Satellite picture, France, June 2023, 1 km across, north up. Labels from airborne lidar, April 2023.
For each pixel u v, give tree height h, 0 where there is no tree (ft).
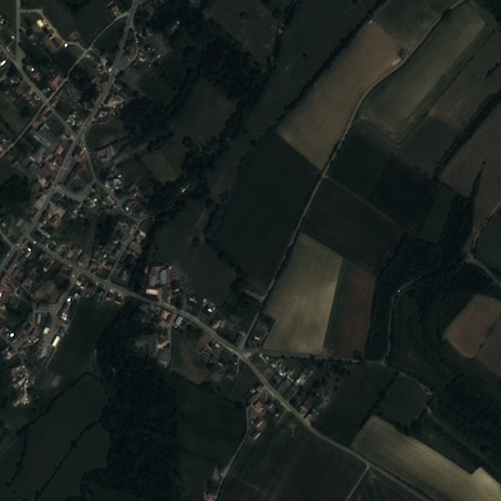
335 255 0
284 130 0
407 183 0
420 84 0
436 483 0
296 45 0
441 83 0
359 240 0
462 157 0
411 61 0
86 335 0
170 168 0
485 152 0
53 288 0
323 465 0
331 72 0
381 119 0
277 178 0
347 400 0
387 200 0
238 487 0
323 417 0
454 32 0
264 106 0
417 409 0
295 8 48
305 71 0
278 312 0
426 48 0
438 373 18
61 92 0
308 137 0
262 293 0
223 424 0
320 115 0
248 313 0
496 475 18
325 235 0
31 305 0
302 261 0
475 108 0
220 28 53
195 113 0
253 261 0
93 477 46
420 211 0
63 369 0
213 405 0
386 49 0
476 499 0
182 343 0
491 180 0
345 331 0
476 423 64
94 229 0
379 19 0
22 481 0
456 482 0
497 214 0
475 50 0
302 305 0
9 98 0
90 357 0
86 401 0
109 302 0
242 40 0
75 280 0
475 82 0
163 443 50
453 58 0
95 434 0
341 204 0
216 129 0
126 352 39
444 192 0
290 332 0
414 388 0
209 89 0
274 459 0
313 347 0
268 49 0
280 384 0
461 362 0
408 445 0
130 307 22
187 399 0
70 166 0
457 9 0
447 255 40
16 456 0
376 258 0
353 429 0
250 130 0
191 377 0
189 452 0
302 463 0
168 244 0
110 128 0
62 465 22
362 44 0
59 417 0
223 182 0
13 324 0
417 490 21
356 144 0
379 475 0
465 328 0
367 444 0
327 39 0
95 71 0
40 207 0
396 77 0
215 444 0
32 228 0
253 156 0
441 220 0
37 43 0
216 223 35
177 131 0
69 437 0
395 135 0
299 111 0
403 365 0
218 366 0
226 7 0
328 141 0
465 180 0
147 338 0
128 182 0
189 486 0
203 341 0
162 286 0
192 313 0
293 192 0
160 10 21
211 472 0
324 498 0
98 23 0
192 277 0
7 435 0
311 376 0
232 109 0
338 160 0
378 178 0
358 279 0
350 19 0
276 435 0
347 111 0
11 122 0
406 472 0
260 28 0
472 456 23
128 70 0
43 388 0
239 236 0
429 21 0
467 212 32
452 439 21
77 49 0
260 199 0
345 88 0
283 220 0
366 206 0
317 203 0
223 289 0
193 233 0
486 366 0
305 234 0
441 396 24
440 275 62
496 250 0
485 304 0
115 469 55
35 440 0
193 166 45
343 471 0
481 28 0
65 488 0
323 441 0
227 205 0
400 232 0
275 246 0
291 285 0
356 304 0
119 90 0
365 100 0
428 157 0
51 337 0
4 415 0
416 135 0
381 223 0
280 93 0
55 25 0
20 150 25
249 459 0
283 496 0
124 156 0
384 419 23
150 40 0
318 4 0
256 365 0
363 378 0
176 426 81
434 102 0
